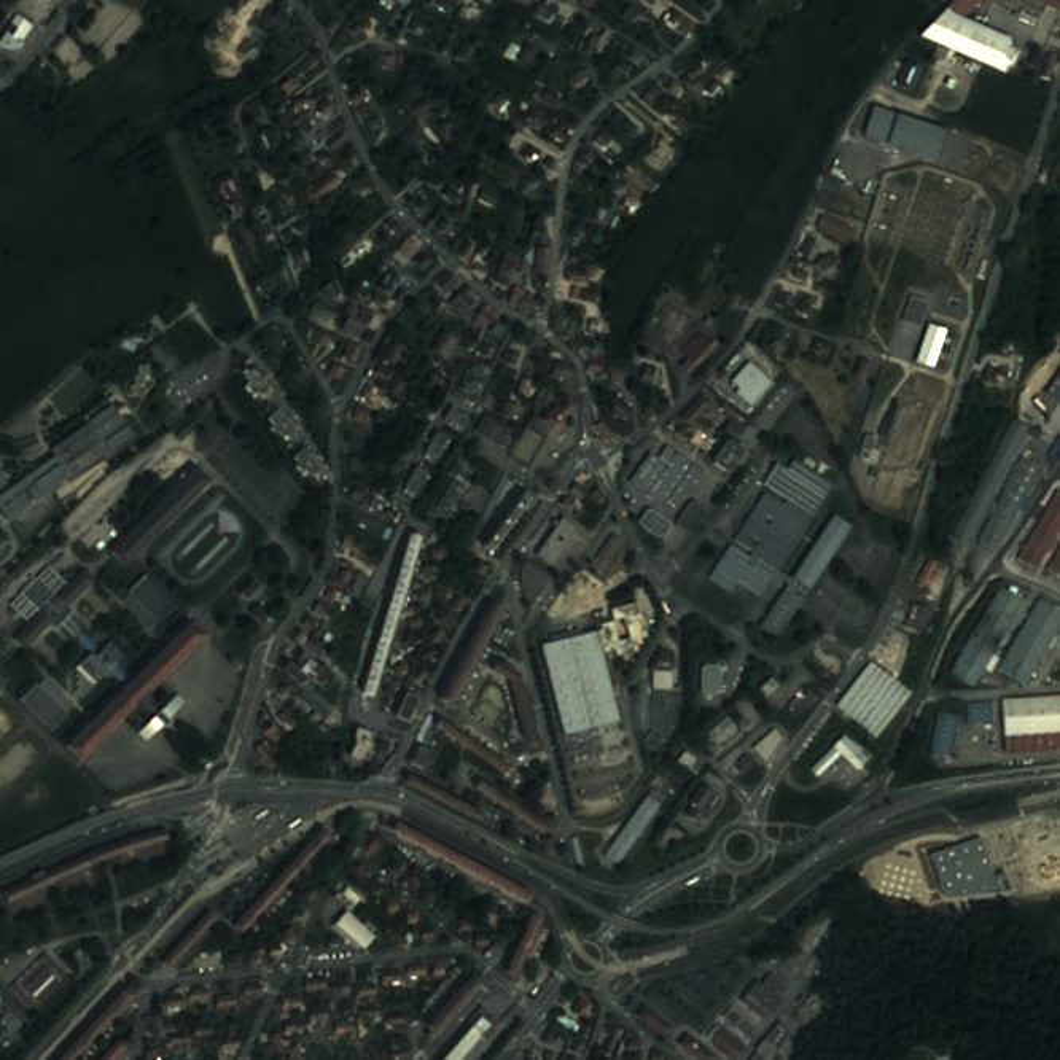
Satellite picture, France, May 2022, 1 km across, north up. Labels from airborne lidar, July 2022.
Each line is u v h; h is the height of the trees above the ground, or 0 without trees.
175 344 0
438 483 7
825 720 0
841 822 0
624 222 8
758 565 0
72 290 0
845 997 19
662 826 12
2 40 0
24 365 0
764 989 0
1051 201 16
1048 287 12
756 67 6
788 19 12
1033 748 0
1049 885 0
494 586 0
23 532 0
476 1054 0
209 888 0
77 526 0
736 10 8
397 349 0
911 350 0
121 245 0
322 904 0
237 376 6
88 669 0
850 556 0
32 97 14
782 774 0
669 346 0
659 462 0
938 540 17
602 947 0
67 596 0
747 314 0
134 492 9
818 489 0
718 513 0
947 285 0
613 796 0
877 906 20
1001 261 21
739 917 0
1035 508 0
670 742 12
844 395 0
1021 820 0
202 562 0
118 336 11
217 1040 10
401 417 7
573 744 0
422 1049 0
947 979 28
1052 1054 33
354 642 6
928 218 0
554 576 18
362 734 0
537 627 0
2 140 0
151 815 0
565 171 0
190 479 0
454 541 17
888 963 8
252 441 21
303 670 0
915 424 0
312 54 10
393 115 0
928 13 0
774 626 0
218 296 0
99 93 0
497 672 0
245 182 7
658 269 0
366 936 0
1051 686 0
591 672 0
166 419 0
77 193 0
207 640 0
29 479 0
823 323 0
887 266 0
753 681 15
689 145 7
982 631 0
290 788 0
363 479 7
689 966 0
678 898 0
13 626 0
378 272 7
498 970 0
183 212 0
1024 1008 13
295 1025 0
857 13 7
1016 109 0
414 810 0
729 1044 0
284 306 7
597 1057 11
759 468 0
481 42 10
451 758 0
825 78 0
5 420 0
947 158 0
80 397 0
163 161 15
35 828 0
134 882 16
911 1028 25
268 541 0
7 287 0
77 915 11
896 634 0
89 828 0
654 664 8
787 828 0
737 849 0
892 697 0
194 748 19
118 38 0
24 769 0
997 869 0
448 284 0
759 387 0
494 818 0
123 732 0
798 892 0
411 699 0
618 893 0
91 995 0
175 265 0
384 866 6
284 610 13
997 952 14
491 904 17
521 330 18
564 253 0
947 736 0
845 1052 21
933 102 0
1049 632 0
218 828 0
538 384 11
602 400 10
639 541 0
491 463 6
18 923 11
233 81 8
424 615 7
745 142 0
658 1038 6
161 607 0
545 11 0
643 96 6
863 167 0
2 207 0
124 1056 0
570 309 13
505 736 0
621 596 13
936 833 0
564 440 0
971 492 14
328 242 20
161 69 0
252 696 0
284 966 0
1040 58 15
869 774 0
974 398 11
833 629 0
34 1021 13
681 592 0
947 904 0
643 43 8
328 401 0
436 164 19
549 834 9
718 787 0
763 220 0
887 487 0
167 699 11
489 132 0
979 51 0
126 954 0
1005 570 0
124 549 0
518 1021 7
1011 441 0
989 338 11
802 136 0
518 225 0
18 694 6
